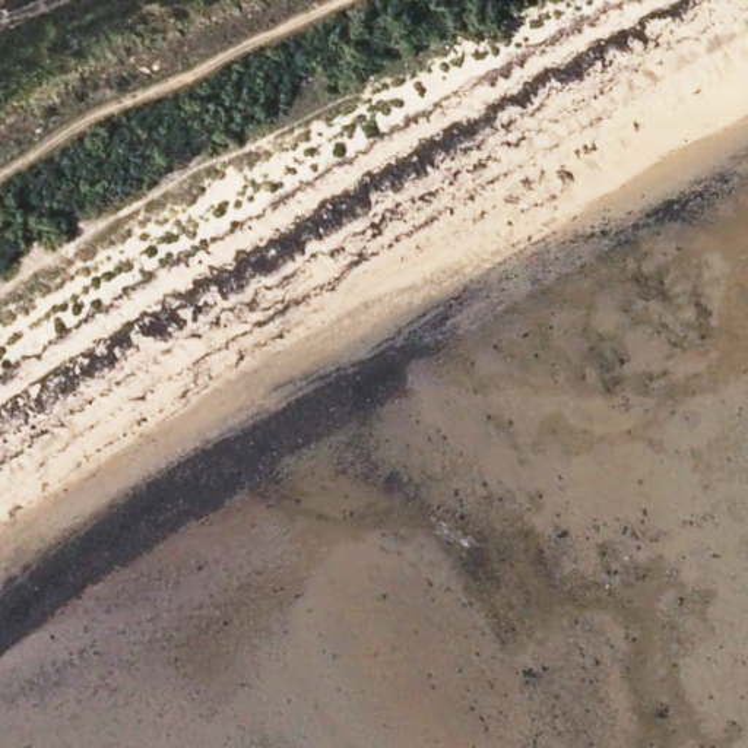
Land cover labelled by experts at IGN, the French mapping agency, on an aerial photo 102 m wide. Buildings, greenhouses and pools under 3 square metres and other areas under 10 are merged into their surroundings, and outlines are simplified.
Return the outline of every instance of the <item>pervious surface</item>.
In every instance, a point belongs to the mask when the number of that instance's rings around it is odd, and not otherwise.
[[[263,44],[281,41],[359,0],[327,0],[213,53],[210,58],[199,61],[184,73],[175,73],[149,88],[120,94],[114,102],[85,111],[73,123],[53,131],[47,140],[35,143],[32,149],[0,167],[0,184],[41,161],[44,155],[50,155],[53,149],[64,146],[76,134],[88,131],[94,123],[126,108],[134,108],[140,102],[167,96],[178,88],[187,88],[219,70],[222,64]]]
[[[0,0],[0,29],[70,6],[76,0]]]

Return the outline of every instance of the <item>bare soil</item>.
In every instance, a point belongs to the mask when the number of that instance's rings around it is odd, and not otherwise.
[[[0,748],[748,748],[748,0],[552,0],[523,9],[523,26],[505,44],[432,41],[427,56],[389,61],[383,76],[371,76],[365,82],[362,94],[333,96],[327,94],[324,70],[313,73],[310,79],[304,79],[292,114],[269,134],[234,146],[222,155],[193,158],[187,167],[169,172],[158,187],[140,193],[120,210],[108,210],[96,219],[79,222],[79,234],[70,243],[50,251],[32,245],[29,254],[20,260],[18,272],[0,281]]]

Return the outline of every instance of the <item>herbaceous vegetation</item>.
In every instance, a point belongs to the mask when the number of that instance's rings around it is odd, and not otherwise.
[[[175,73],[184,73],[199,61],[210,58],[213,53],[327,0],[76,0],[70,6],[0,29],[0,167],[32,149],[35,143],[47,140],[53,131],[73,123],[85,111],[114,102],[120,94],[149,88]]]

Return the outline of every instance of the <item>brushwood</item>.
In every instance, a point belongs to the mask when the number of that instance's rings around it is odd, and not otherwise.
[[[365,82],[371,76],[383,76],[389,61],[427,56],[432,41],[505,44],[523,26],[523,9],[552,0],[359,0],[281,41],[263,44],[222,64],[219,70],[187,88],[178,88],[167,96],[140,102],[134,108],[126,108],[94,123],[88,131],[76,134],[64,146],[53,149],[50,155],[44,155],[41,161],[0,184],[0,281],[18,272],[20,260],[29,254],[32,245],[50,251],[70,243],[79,234],[79,222],[96,219],[108,210],[120,210],[140,193],[158,187],[169,172],[187,167],[193,158],[222,155],[234,146],[269,134],[292,114],[304,79],[310,79],[313,73],[324,70],[327,94],[333,96],[362,94]]]

